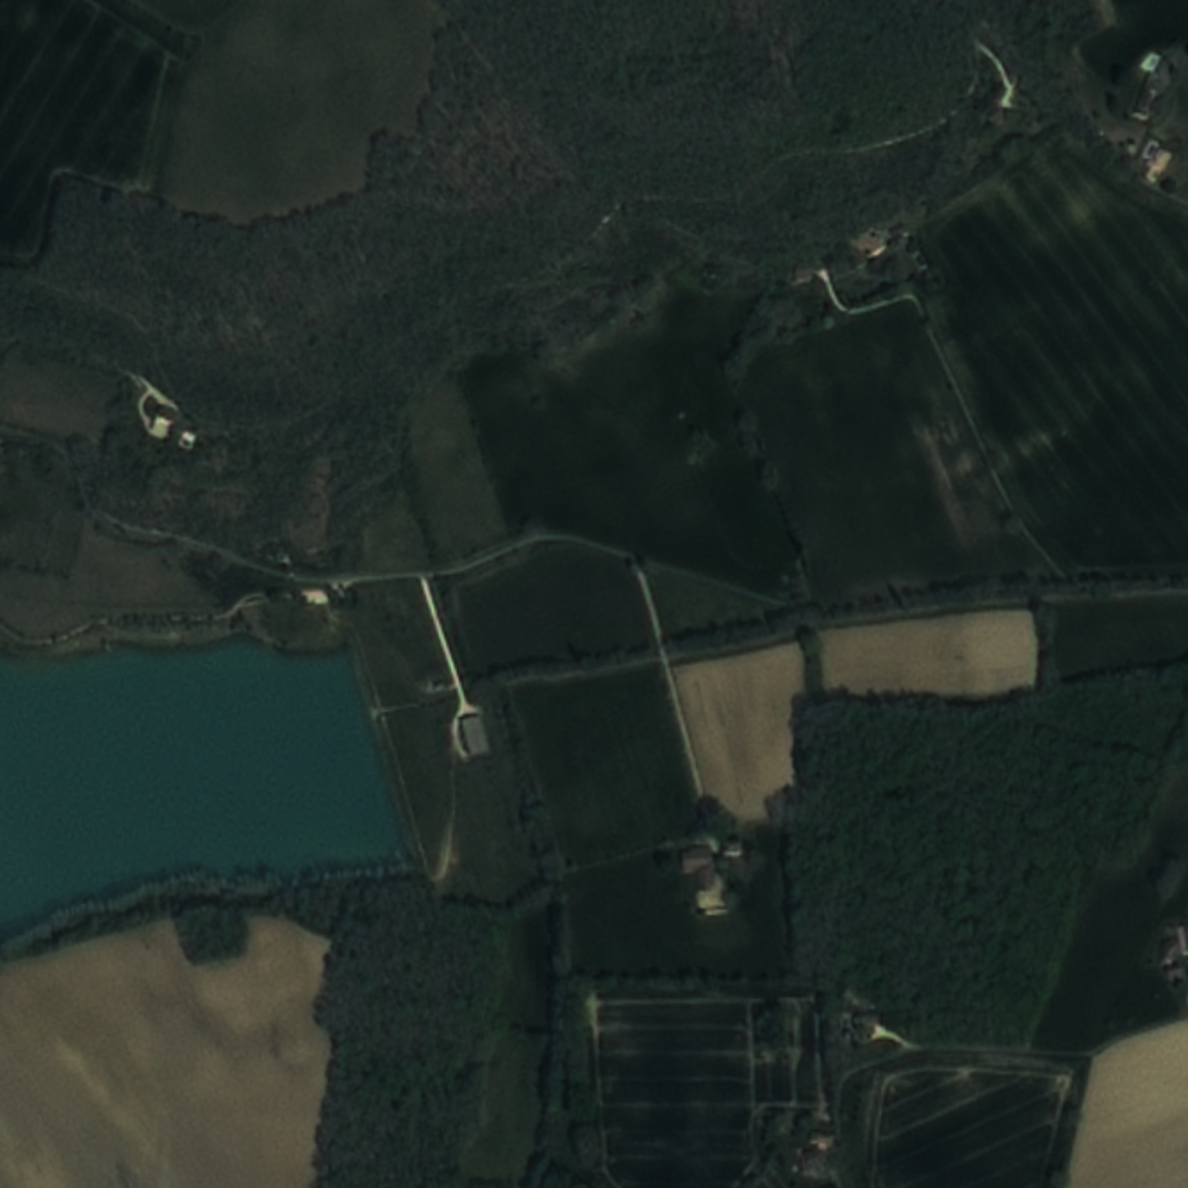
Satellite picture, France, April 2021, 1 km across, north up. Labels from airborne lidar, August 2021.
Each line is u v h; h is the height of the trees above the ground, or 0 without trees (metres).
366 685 0
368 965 21
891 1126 0
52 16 0
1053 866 20
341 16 0
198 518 13
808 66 14
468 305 18
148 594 0
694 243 16
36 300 16
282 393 10
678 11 16
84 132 0
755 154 15
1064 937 17
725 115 15
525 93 16
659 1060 0
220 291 10
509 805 10
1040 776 20
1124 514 0
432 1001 19
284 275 8
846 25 17
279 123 0
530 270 14
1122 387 0
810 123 15
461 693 0
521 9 19
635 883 0
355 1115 25
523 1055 0
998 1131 0
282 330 14
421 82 0
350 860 0
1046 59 6
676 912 0
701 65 13
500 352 15
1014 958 23
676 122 17
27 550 0
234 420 20
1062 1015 0
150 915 11
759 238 17
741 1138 0
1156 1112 0
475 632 0
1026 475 0
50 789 0
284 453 11
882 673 0
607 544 0
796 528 6
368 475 18
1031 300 0
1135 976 0
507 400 0
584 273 11
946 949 21
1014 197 0
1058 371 0
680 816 0
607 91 19
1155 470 0
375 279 13
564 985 18
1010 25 8
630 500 0
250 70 0
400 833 0
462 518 0
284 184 0
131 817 0
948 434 0
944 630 0
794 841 18
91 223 19
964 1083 0
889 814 29
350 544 16
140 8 8
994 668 0
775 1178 0
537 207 11
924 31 18
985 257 0
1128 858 24
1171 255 0
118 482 12
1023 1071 0
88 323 15
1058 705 16
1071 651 0
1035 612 10
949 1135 0
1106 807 23
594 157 19
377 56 0
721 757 0
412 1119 18
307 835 0
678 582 0
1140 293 0
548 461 0
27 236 0
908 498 0
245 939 17
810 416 0
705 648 16
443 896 12
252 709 0
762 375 0
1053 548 0
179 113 0
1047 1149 0
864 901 20
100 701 0
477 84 17
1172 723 15
